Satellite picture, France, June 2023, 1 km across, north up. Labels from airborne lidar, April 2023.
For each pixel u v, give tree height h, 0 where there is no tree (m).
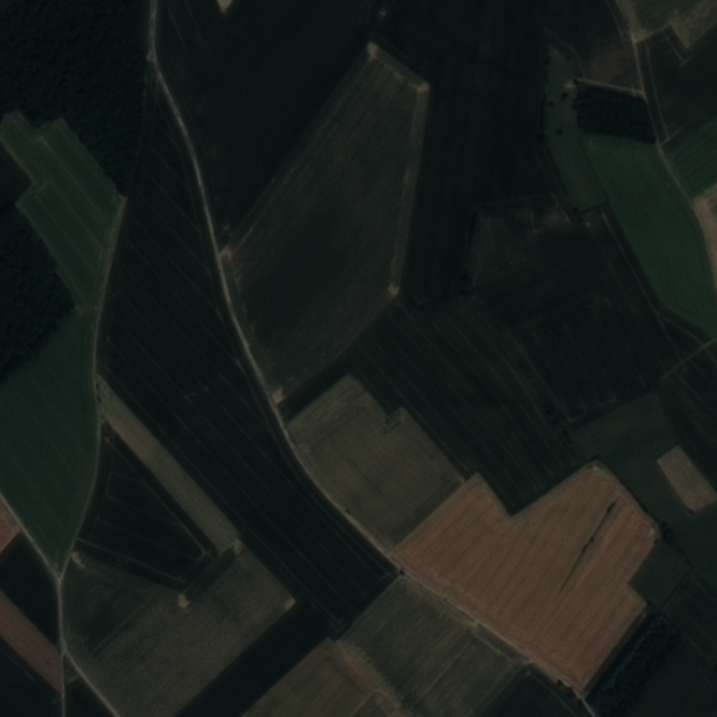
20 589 0
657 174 0
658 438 0
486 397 0
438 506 0
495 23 0
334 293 0
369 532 0
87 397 0
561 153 0
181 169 0
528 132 0
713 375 0
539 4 0
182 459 0
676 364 0
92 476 0
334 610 0
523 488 0
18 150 0
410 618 0
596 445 0
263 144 0
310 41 0
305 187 0
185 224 0
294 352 0
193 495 0
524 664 0
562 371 0
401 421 0
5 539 0
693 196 0
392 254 0
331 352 0
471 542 0
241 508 0
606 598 0
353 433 0
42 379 0
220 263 0
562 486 0
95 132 15
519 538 0
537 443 0
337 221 0
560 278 0
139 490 0
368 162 0
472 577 0
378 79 0
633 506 0
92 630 0
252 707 0
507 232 0
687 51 0
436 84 0
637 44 0
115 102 14
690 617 0
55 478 0
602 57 0
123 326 0
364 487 0
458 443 0
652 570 0
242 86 0
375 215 0
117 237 0
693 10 0
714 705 0
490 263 0
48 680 0
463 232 0
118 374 0
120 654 0
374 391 0
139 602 0
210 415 0
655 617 13
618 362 0
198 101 0
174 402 0
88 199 0
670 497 0
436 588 0
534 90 0
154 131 0
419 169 0
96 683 0
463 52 0
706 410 0
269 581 0
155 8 0
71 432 0
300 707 0
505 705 0
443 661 0
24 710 0
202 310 0
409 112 0
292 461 0
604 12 0
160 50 0
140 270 0
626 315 0
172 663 0
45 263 31
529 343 0
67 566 0
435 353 0
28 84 25
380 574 0
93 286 0
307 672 0
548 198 0
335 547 0
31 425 0
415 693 0
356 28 0
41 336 27
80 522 0
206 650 0
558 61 0
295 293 0
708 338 0
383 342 0
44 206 0
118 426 0
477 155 0
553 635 0
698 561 0
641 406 0
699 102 0
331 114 0
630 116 16
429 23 0
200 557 0
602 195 0
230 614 0
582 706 13
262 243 0
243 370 0
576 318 0
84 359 0
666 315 0
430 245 0
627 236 0
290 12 0
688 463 0
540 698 0
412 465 0
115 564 0
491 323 0
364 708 0
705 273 0
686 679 0
